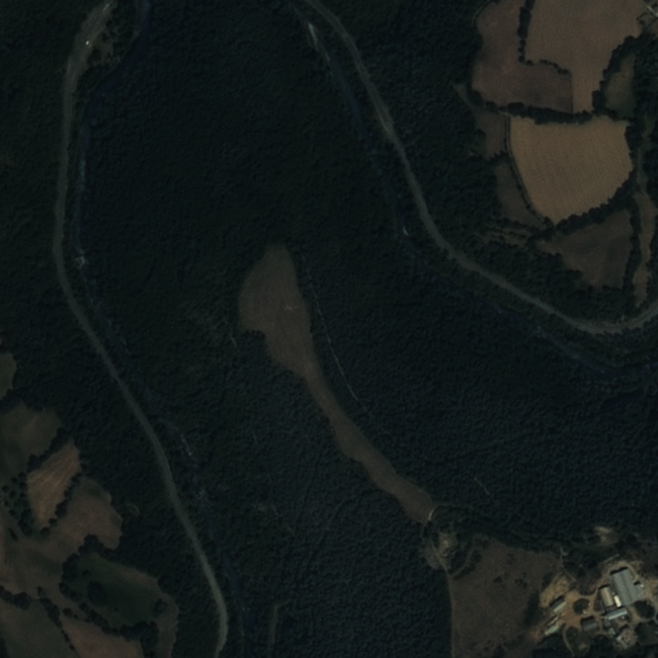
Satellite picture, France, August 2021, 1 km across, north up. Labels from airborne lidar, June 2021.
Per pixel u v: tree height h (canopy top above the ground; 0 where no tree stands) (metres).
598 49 0
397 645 7
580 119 12
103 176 21
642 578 0
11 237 12
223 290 10
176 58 23
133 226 19
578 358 0
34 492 0
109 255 18
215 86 22
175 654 12
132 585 0
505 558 0
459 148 17
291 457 10
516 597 0
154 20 22
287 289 0
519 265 12
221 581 18
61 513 14
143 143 22
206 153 20
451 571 6
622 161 0
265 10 27
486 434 13
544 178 0
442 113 17
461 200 13
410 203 13
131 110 18
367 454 0
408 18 16
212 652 13
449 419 19
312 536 10
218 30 21
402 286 18
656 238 14
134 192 25
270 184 21
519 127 0
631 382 17
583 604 0
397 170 20
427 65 21
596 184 0
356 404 13
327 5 14
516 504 15
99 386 29
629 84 0
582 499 16
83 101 10
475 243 16
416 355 21
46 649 0
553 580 0
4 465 0
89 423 19
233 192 24
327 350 12
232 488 9
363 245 15
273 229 18
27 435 0
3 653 16
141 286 17
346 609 14
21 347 18
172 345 12
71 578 17
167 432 14
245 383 8
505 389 17
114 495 17
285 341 0
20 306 13
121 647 0
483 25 0
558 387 26
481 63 0
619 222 0
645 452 16
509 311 0
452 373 18
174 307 15
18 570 0
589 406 23
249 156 14
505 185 0
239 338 13
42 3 21
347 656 11
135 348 19
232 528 13
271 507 8
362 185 24
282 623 6
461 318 19
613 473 15
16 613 0
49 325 28
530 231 8
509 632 0
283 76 21
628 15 0
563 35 0
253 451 8
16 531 0
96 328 12
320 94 17
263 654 12
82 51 0
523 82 0
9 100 16
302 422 8
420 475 10
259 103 22
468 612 0
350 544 13
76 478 9
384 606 13
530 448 14
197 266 16
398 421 16
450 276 8
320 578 14
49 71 13
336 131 19
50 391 25
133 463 20
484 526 12
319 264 15
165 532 22
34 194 23
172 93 22
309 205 14
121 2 13
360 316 14
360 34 20
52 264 13
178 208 23
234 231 11
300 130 17
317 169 20
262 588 12
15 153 7
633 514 14
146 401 15
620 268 0
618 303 6
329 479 12
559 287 10
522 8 0
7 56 23
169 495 9
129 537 17
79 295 13
